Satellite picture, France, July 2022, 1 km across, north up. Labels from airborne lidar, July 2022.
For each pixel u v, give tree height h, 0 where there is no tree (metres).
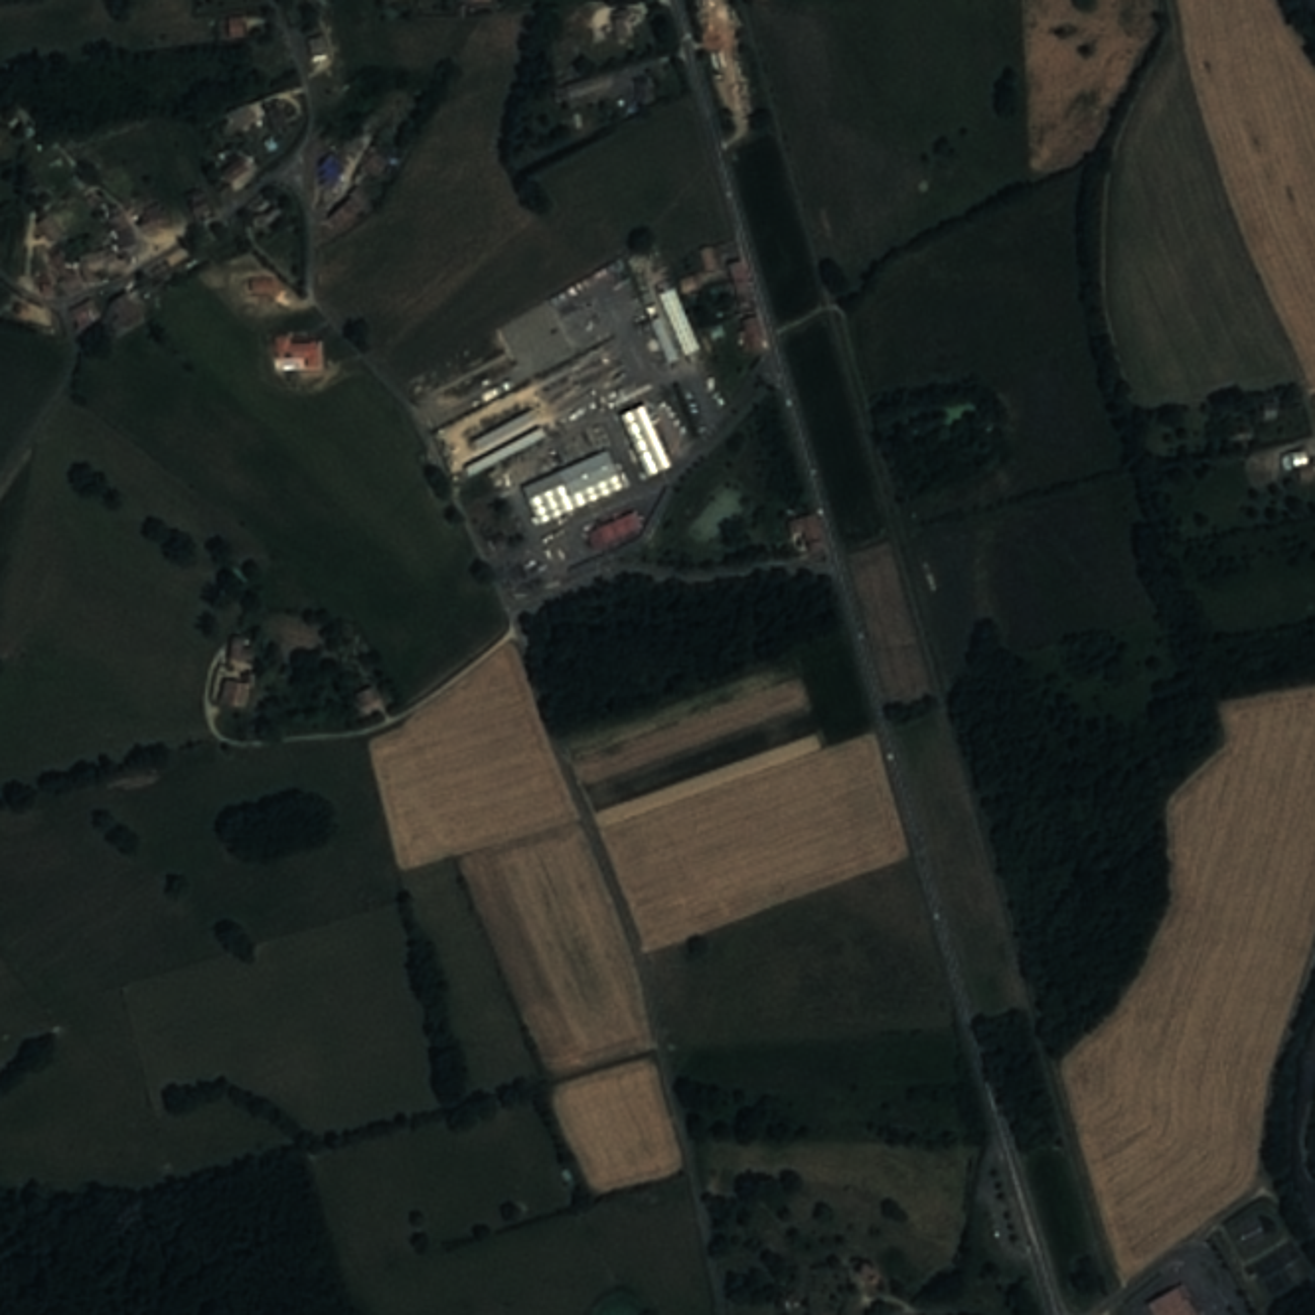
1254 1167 0
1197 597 16
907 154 0
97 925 0
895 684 0
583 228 0
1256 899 0
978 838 0
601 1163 0
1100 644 6
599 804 0
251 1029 0
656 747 0
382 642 0
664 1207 0
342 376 0
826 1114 0
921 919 0
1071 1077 0
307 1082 0
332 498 0
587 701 19
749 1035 0
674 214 0
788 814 0
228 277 0
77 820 0
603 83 0
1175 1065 0
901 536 0
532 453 0
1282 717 0
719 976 0
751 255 0
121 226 0
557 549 0
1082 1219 0
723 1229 12
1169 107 0
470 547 0
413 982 12
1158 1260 0
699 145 0
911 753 0
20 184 18
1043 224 0
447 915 0
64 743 0
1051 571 0
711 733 0
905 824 0
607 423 0
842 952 0
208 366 0
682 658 17
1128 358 0
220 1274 27
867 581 0
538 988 0
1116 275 0
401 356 0
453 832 0
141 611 0
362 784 0
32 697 0
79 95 6
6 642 0
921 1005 0
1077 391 0
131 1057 0
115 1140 0
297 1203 21
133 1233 23
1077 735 21
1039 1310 16
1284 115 0
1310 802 0
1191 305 0
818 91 0
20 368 0
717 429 0
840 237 0
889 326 0
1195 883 0
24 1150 0
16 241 0
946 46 0
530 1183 0
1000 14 0
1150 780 7
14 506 0
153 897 0
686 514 0
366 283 0
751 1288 16
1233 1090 0
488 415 0
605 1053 0
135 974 0
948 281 0
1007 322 0
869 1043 0
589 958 0
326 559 0
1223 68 0
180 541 18
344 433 0
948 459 6
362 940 0
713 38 0
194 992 0
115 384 0
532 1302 0
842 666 0
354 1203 0
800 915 0
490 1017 0
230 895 0
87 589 0
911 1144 10
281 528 0
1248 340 0
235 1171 13
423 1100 0
